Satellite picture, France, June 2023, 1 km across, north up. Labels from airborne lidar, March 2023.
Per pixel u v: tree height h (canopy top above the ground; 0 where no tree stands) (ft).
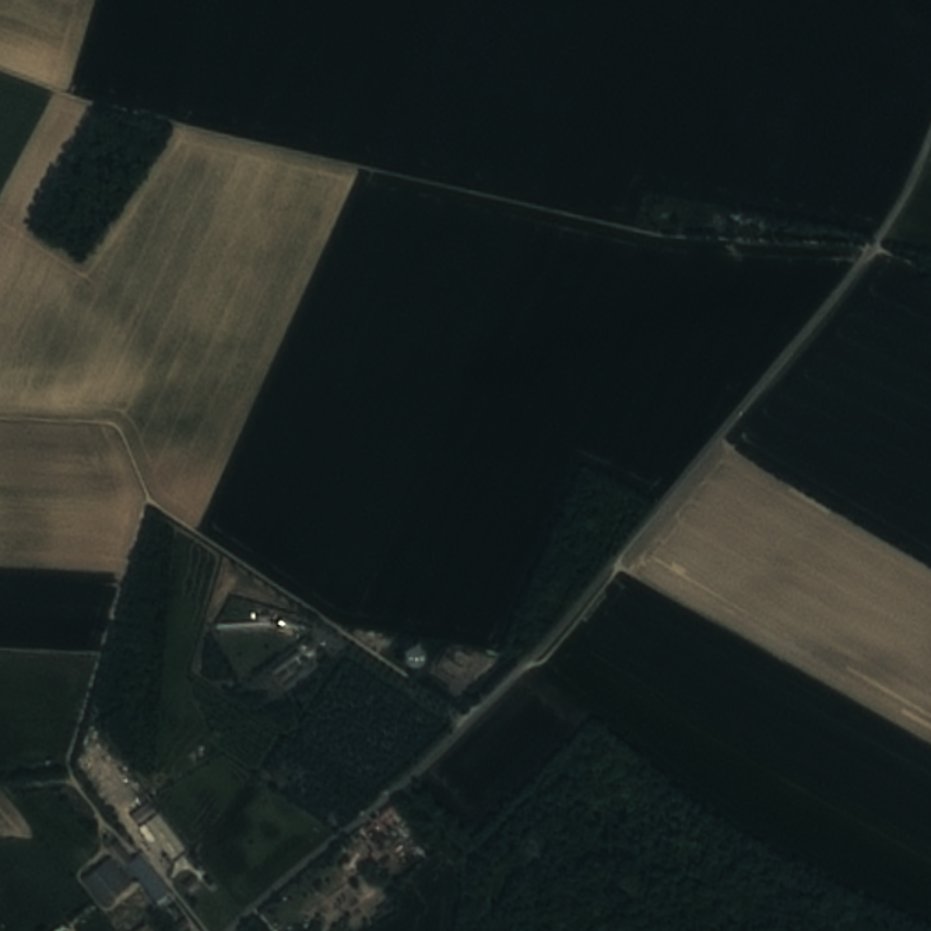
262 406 0
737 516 0
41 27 0
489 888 0
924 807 0
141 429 0
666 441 0
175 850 0
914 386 0
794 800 0
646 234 0
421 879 0
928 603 0
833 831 0
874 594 0
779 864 56
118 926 0
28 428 0
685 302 0
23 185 0
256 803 0
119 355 0
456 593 0
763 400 0
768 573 0
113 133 69
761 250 0
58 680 0
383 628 0
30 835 0
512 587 0
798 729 0
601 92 0
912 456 0
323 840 0
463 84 0
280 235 0
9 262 0
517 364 0
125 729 40
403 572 0
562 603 39
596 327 0
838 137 0
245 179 0
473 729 0
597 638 0
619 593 0
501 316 0
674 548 0
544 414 0
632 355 0
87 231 56
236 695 37
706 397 0
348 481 0
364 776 28
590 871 75
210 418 0
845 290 0
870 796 0
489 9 0
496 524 0
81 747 27
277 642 0
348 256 0
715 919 58
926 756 0
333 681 26
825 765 0
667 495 0
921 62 0
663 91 0
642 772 56
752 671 0
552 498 0
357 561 0
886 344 0
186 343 0
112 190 62
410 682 25
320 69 0
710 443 0
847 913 68
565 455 0
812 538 0
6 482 0
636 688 0
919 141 0
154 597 37
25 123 0
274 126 0
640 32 0
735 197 0
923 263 40
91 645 0
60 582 0
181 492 0
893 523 0
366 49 0
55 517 0
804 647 0
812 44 0
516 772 0
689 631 0
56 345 0
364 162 0
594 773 55
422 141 0
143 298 0
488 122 0
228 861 0
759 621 0
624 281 0
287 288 0
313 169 0
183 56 0
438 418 0
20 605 0
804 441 0
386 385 0
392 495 0
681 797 55
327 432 0
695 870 65
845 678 0
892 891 0
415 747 20
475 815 0
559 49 0
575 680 0
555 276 0
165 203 0
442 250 0
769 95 0
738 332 0
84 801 0
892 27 0
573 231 0
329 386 0
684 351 0
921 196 0
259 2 0
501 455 0
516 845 46
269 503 0
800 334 0
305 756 37
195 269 0
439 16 0
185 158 0
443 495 0
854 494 0
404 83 0
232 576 0
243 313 0
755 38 0
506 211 0
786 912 52
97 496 0
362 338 0
